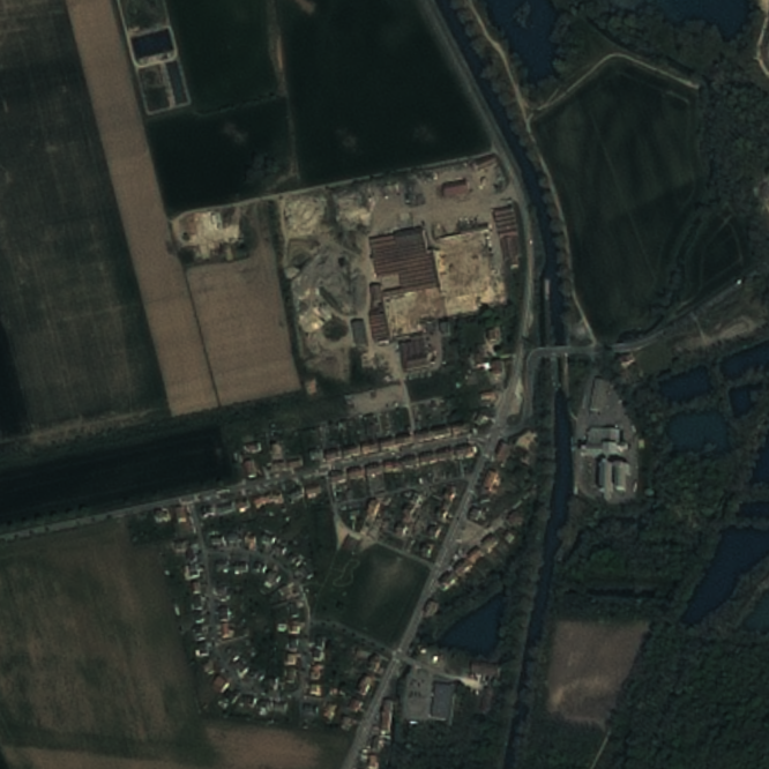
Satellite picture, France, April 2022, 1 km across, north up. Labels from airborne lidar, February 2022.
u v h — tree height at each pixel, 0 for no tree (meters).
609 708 0
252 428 0
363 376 0
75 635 0
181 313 0
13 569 0
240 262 0
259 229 0
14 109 0
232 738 0
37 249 0
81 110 0
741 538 0
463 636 0
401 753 15
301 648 0
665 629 21
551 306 0
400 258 0
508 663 13
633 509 18
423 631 12
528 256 0
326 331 0
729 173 20
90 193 0
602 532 16
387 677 0
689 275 0
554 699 0
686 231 0
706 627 21
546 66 0
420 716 0
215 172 0
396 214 0
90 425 0
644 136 0
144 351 0
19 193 0
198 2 0
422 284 0
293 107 0
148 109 0
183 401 0
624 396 13
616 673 0
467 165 0
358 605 0
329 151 0
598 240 0
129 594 0
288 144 0
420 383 0
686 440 0
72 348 0
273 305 0
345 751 0
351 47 0
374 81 0
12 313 0
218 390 0
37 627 0
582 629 0
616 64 0
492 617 0
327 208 0
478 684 0
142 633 0
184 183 0
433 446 0
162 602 0
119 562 0
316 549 0
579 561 22
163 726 0
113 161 0
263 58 0
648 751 26
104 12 0
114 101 0
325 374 0
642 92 0
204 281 0
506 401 0
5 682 0
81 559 0
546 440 18
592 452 0
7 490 0
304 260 0
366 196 0
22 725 0
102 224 0
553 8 0
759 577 18
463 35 0
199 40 0
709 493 20
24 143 0
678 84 0
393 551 0
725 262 0
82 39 0
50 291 0
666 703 22
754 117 24
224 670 0
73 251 0
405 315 0
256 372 0
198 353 0
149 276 0
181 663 0
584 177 0
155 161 0
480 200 0
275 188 0
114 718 0
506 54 0
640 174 0
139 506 0
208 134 0
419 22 0
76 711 0
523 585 21
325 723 0
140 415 0
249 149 0
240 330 0
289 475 0
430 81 0
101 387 0
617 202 0
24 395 0
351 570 0
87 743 0
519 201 0
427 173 0
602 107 0
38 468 0
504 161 0
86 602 0
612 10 14
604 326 0
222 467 0
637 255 0
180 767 0
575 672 0
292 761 0
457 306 0
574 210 0
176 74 0
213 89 0
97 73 0
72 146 0
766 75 0
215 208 0
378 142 0
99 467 0
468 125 0
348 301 0
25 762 0
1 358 0
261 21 0
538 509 11
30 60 0
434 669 0
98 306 0
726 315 0
